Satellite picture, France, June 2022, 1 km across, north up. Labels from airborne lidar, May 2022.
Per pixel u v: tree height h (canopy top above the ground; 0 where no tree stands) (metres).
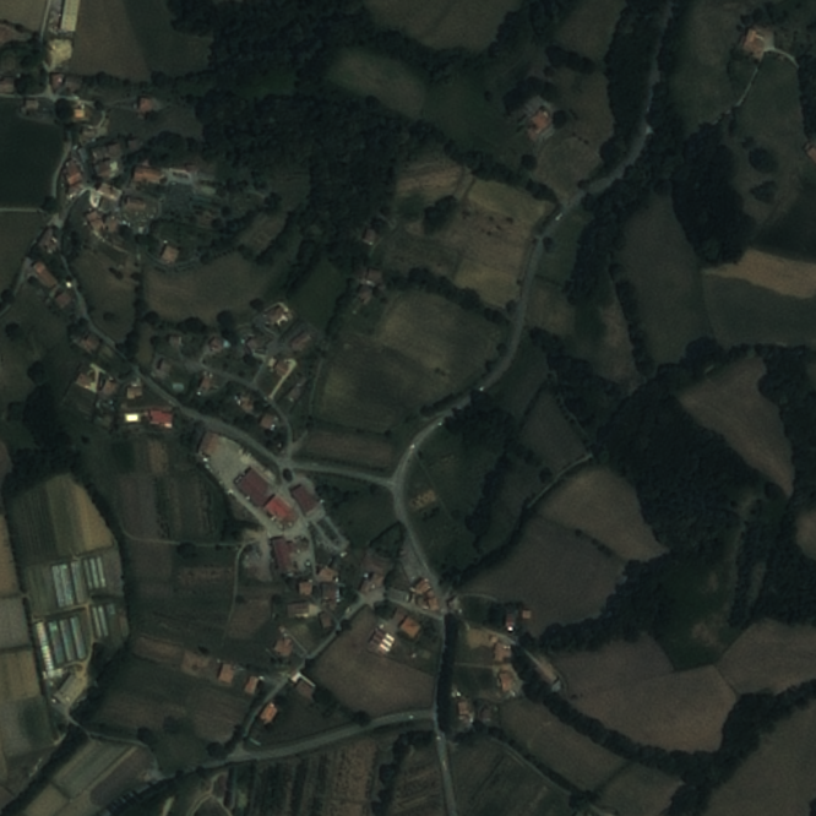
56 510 0
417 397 0
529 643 20
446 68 21
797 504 15
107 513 13
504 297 0
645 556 0
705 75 0
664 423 15
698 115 0
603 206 22
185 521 0
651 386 13
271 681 0
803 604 19
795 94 0
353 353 0
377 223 18
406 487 0
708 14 0
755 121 0
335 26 33
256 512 0
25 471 8
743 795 0
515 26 18
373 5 0
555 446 0
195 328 18
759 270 0
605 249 14
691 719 0
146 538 0
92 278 0
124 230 16
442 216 18
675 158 28
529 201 0
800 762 0
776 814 0
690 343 0
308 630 0
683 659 0
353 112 25
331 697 7
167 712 0
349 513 0
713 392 0
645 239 0
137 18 0
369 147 28
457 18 0
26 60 15
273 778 8
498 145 0
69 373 0
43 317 0
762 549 9
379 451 0
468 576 12
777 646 0
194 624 0
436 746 0
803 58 12
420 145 13
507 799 0
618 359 0
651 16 28
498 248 0
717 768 19
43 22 0
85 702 6
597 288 12
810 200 0
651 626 16
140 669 0
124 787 0
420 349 0
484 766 0
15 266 0
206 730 0
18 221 0
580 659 0
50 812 0
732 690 0
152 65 0
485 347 0
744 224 26
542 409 0
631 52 16
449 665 13
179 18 8
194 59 0
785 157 0
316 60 29
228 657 0
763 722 22
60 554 0
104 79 17
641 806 0
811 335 0
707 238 34
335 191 28
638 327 11
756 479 12
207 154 13
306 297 0
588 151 0
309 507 0
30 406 11
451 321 0
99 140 7
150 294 0
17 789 0
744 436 0
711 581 0
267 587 0
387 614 12
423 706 0
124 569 6
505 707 0
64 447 16
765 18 15
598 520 0
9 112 0
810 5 0
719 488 15
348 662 0
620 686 0
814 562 14
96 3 0
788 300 0
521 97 18
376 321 0
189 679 0
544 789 0
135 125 0
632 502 0
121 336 0
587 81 0
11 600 0
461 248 0
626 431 13
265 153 25
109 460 0
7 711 0
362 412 0
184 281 0
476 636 0
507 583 0
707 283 0
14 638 0
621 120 13
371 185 26
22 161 0
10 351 0
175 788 15
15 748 0
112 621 0
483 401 23
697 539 22
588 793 11
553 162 0
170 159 6
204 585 0
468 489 0
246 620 0
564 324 0
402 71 0
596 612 0
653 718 0
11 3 0
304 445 0
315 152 25
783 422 7
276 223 0
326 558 0
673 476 24
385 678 0
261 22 18
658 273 0
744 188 0
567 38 0
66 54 0
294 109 25
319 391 0
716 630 0
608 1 0
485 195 0
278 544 0
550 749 0
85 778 0
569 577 0
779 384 15
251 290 0
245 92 0
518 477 0
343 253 27
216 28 6
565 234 0
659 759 21
